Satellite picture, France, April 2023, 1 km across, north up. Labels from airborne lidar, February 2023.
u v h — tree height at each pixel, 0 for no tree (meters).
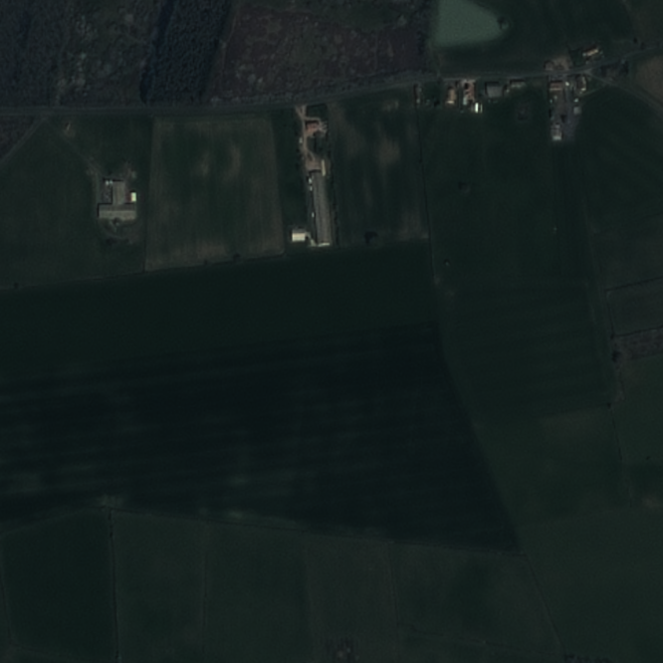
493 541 0
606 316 0
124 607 0
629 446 0
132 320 0
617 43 0
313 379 0
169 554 0
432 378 0
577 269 0
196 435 0
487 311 0
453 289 0
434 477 0
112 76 6
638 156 0
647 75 0
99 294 0
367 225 0
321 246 0
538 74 0
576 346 0
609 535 0
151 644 0
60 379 0
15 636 0
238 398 0
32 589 0
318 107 0
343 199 0
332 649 0
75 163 0
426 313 0
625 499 0
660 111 0
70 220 0
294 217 0
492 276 0
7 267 0
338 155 0
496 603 0
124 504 0
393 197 0
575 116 0
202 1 24
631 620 0
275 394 0
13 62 19
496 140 0
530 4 0
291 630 0
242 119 0
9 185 0
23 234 0
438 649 0
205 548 0
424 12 14
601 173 0
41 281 0
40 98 15
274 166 0
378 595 0
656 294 0
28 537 0
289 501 0
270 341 0
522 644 0
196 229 0
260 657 0
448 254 0
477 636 0
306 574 0
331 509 0
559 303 0
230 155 0
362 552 0
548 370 0
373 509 0
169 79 26
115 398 0
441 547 0
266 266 0
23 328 0
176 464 0
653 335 0
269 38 0
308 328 0
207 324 0
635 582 0
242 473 0
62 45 19
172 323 0
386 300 0
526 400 0
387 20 0
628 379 0
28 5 18
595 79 0
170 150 0
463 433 0
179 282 0
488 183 0
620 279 0
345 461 0
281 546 0
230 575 0
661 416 0
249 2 0
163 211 0
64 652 0
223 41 19
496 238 0
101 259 0
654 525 0
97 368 0
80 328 0
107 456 0
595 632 0
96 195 0
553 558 0
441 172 0
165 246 0
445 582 0
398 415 0
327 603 0
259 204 0
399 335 0
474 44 0
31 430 0
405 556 0
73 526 0
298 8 0
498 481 0
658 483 0
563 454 0
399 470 0
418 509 0
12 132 11
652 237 0
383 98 0
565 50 0
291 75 0
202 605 0
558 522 0
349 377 0
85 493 0
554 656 0
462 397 0
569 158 0
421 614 0
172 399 0
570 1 0
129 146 0
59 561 0
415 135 0
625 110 0
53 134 0
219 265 0
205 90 22
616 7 0
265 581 0
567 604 0
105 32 0
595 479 0
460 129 0
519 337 0
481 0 0
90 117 0
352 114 0
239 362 0
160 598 0
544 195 0
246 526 0
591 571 0
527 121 0
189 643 0
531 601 0
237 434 0
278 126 0
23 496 0
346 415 0
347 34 0
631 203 0
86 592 0
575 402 0
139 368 0
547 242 0
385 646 0
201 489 0
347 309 0
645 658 0
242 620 0
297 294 0
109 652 0
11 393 0
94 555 0
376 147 0
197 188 0
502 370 0
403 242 0
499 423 0
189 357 0
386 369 0
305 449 0
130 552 0
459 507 0
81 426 0
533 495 0
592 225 0
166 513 0
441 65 0
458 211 0
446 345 0
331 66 0
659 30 0
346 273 0
